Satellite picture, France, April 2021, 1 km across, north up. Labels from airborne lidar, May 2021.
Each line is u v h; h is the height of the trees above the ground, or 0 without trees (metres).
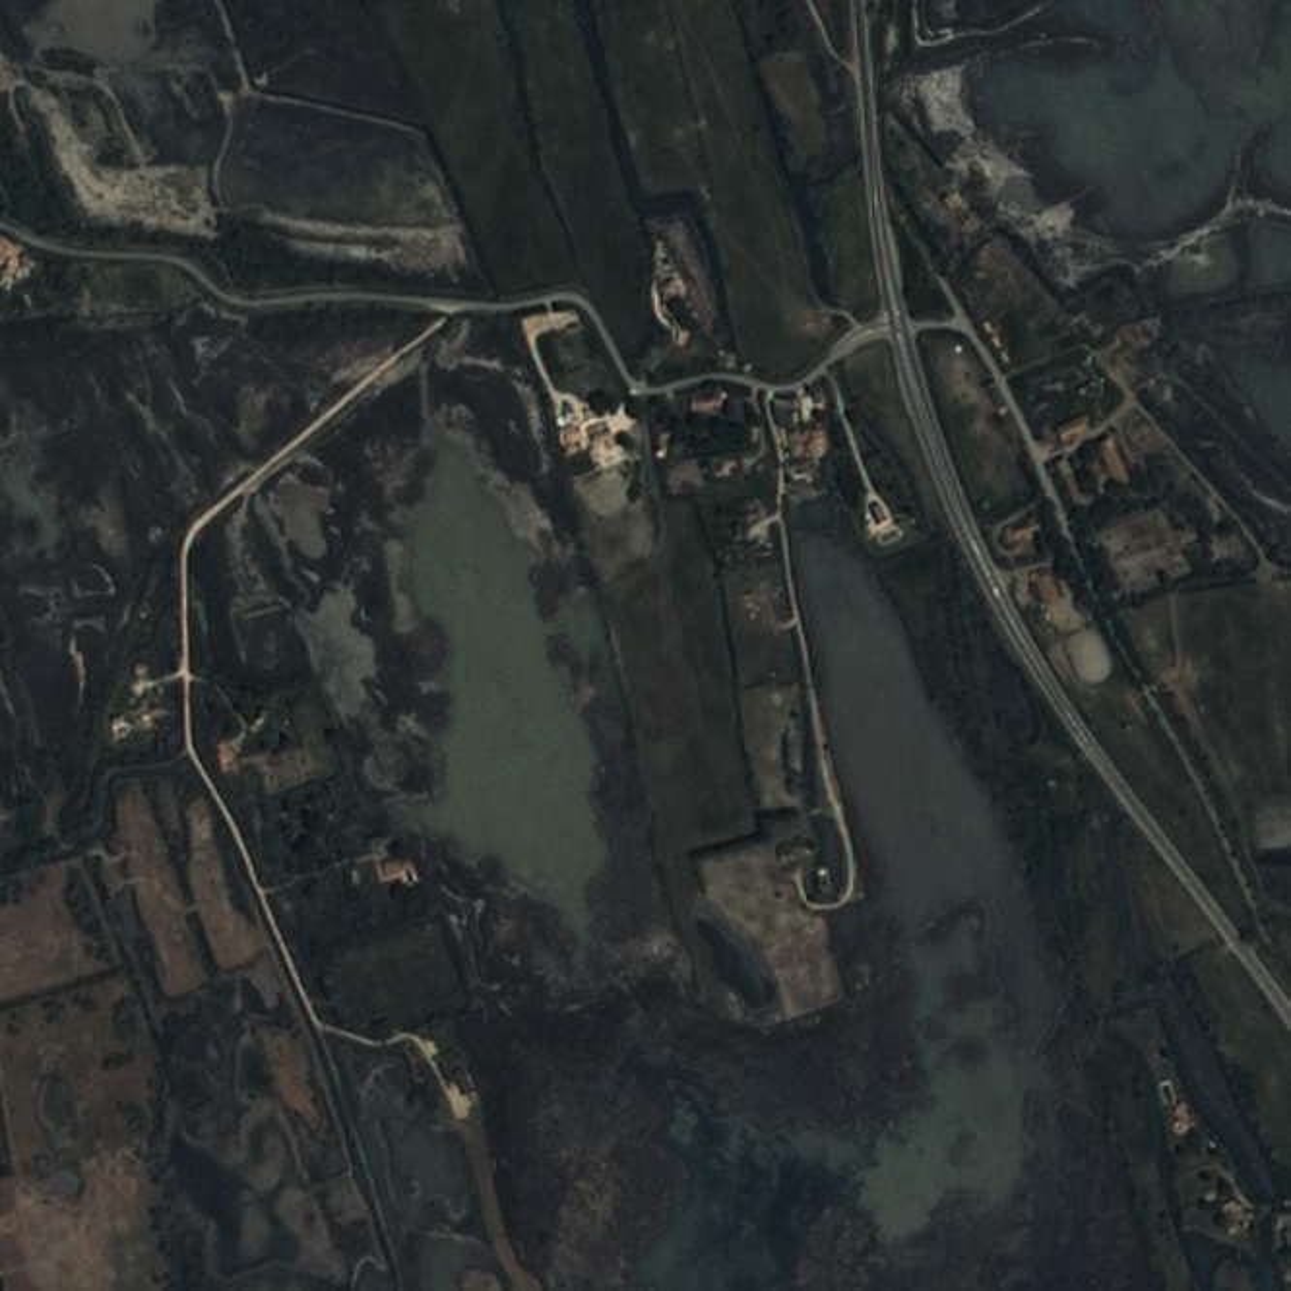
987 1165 0
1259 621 0
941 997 0
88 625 0
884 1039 0
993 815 0
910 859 0
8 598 0
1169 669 0
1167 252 0
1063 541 10
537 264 0
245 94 0
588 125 0
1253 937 8
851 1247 0
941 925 0
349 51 0
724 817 0
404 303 0
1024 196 0
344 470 0
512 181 0
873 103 0
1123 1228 0
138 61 0
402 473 0
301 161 0
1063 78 0
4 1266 0
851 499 8
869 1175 0
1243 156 0
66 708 0
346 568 0
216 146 0
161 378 0
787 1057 0
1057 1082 0
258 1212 0
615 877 0
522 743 0
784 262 0
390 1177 0
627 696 0
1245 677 0
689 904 0
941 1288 0
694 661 0
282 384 0
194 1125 0
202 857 0
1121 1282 0
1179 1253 0
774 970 0
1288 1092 0
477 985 0
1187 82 0
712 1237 0
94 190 0
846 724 0
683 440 7
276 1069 0
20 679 0
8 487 0
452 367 0
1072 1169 0
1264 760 0
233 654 0
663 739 0
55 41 0
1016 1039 0
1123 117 0
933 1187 0
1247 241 0
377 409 0
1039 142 0
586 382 0
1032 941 0
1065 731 0
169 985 0
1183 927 0
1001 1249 0
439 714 0
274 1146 0
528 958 0
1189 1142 8
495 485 0
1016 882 0
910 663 0
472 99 0
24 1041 0
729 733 0
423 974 0
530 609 0
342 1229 0
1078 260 0
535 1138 0
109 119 0
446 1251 0
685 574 0
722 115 0
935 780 0
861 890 0
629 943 0
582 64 0
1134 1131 0
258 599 0
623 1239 0
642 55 0
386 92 0
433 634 0
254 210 0
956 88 0
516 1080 0
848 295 0
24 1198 0
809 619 0
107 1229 0
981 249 0
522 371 0
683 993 0
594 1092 0
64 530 0
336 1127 0
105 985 0
